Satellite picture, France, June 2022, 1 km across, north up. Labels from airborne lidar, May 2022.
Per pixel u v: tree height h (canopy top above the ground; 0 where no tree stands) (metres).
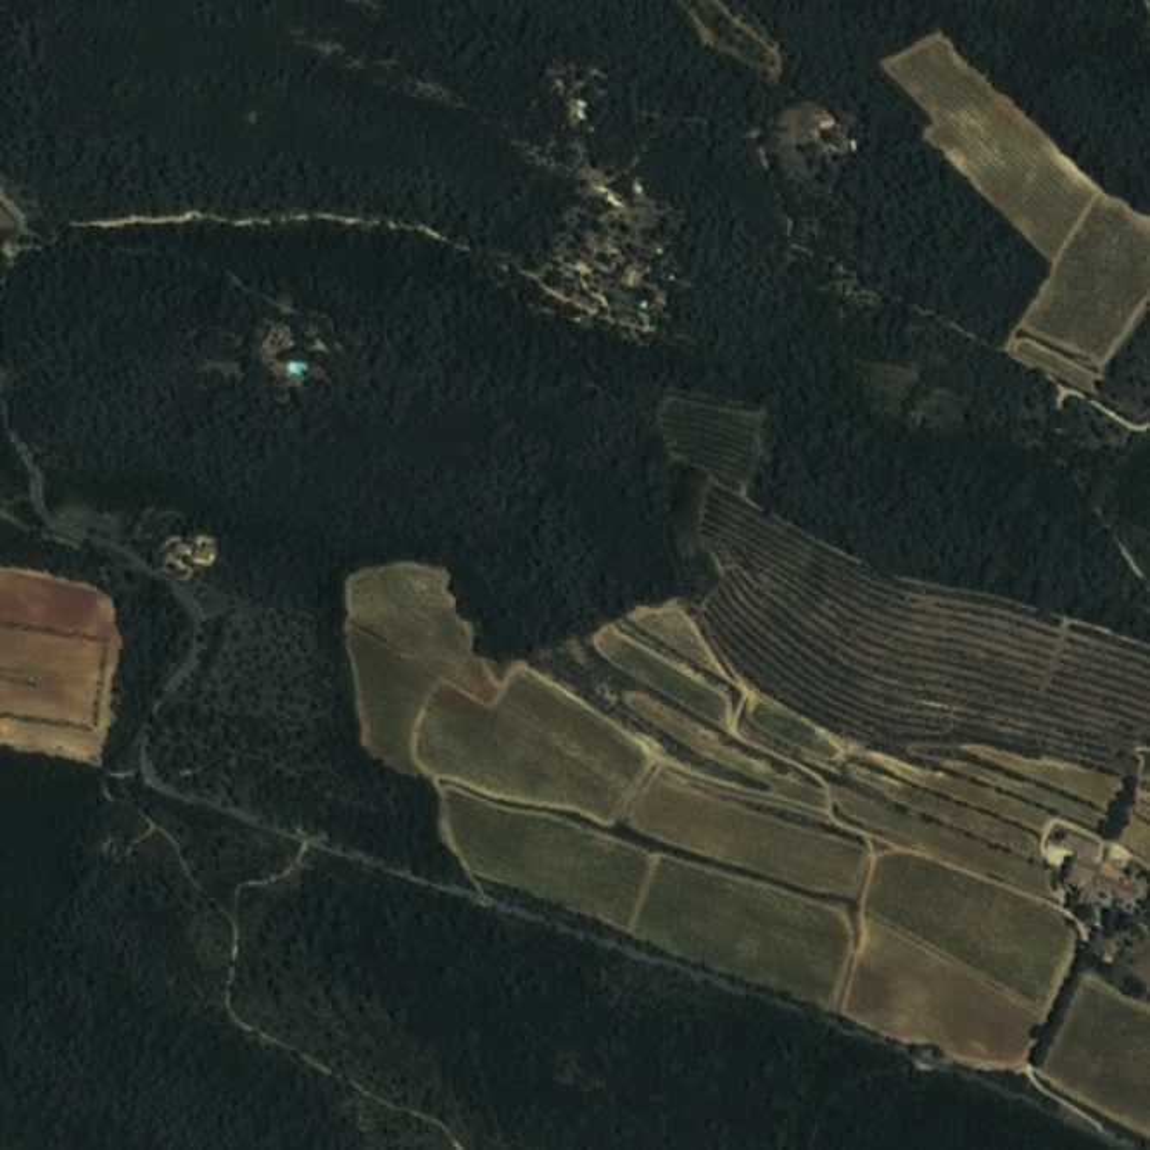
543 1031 7
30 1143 7
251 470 19
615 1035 7
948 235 18
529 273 7
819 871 0
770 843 0
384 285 11
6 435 16
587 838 0
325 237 14
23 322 7
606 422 15
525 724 0
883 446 9
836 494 17
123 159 16
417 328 17
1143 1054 0
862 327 9
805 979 0
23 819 6
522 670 0
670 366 8
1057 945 0
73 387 17
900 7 12
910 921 0
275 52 10
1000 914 0
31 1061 20
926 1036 0
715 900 0
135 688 10
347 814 10
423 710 0
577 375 9
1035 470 12
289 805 15
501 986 7
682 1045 6
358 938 6
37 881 7
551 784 0
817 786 0
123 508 13
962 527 18
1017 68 20
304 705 17
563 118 7
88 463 9
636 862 0
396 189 18
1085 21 7
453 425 8
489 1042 5
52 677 0
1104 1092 0
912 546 22
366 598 0
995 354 16
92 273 18
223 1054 17
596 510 9
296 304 8
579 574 21
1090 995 0
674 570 10
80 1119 14
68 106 12
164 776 8
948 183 21
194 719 14
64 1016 9
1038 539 9
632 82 19
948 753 0
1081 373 0
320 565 6
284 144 11
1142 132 17
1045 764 0
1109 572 16
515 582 17
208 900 12
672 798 0
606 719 0
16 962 6
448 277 10
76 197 7
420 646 0
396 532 13
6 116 7
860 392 6
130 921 8
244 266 7
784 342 12
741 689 0
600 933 8
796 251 7
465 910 10
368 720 0
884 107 21
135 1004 9
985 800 0
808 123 0
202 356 19
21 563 11
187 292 15
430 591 0
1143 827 0
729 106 11
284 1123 13
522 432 10
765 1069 20
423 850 11
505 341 7
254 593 16
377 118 12
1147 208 17
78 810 8
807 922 0
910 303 9
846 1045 6
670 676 0
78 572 19
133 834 13
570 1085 6
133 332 8
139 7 10
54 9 11
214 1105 19
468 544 25
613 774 0
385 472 8
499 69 10
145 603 9
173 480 8
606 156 8
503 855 0
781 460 14
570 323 12
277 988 11
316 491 9
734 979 9
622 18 16
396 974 7
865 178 21
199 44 9
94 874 18
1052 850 0
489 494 22
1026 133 0
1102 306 0
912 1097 8
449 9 15
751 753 0
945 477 13
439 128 12
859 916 0
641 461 9
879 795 0
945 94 0
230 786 14
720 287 17
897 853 0
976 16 13
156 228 11
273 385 19
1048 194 0
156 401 13
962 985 0
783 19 18
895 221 23
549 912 6
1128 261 0
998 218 16
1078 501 12
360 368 17
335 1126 8
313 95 10
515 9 17
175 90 16
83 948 7
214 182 17
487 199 10
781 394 15
